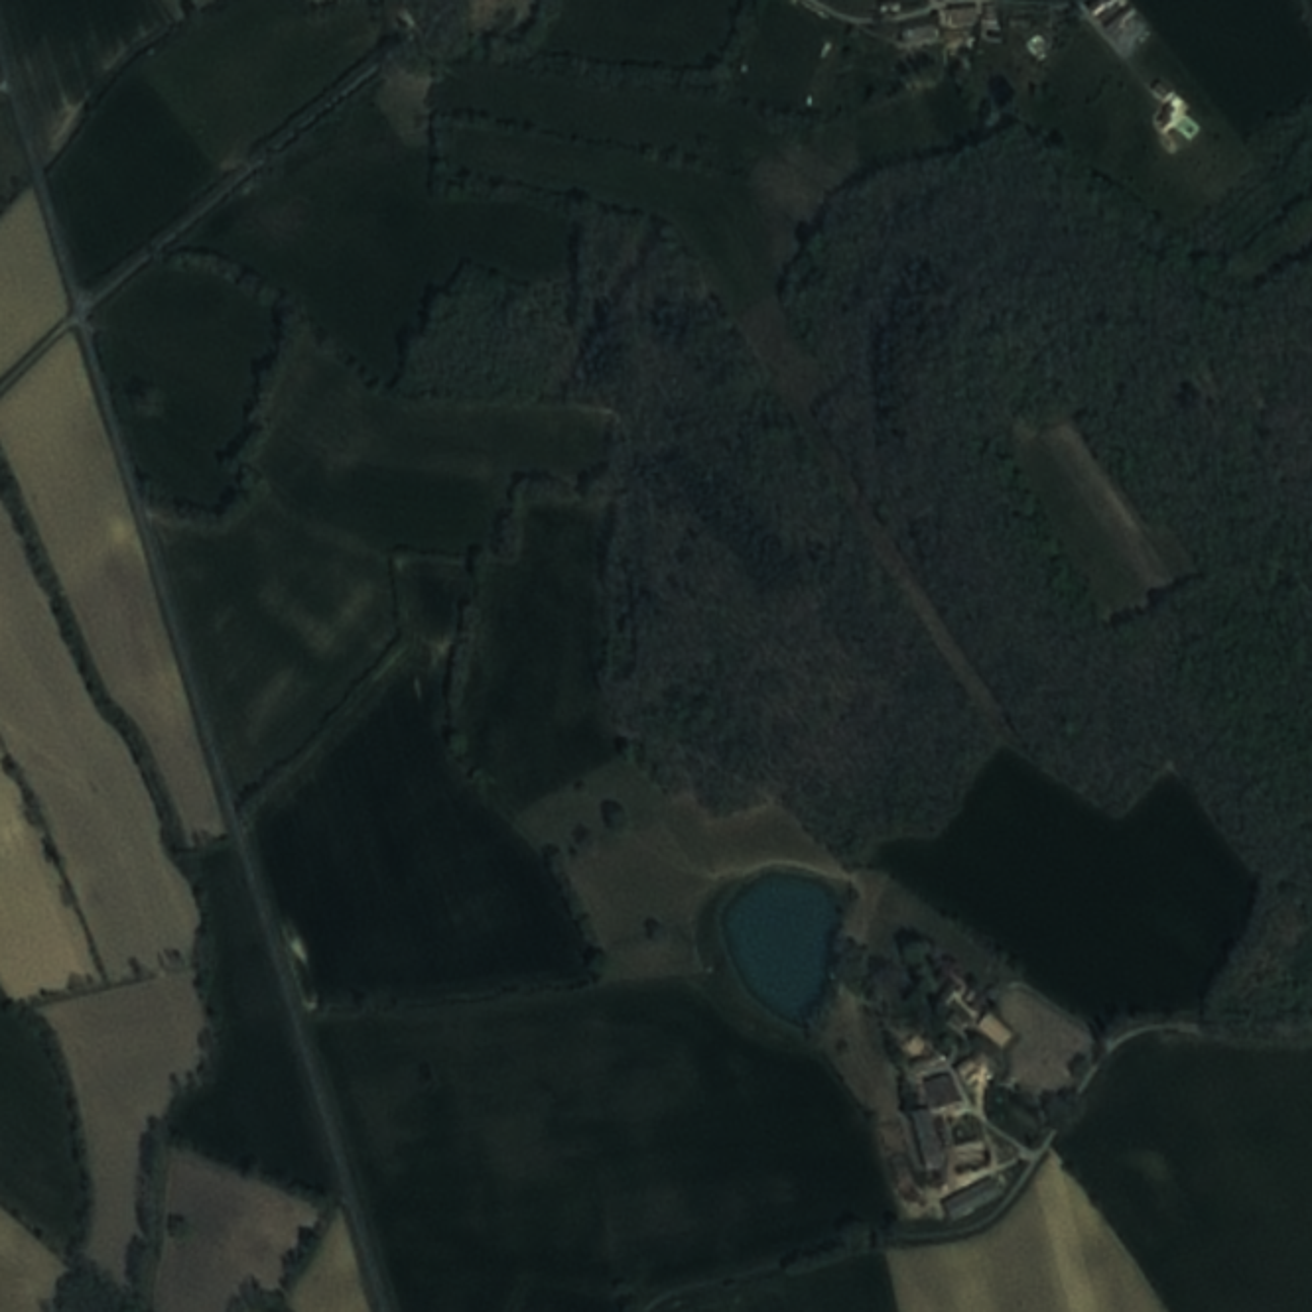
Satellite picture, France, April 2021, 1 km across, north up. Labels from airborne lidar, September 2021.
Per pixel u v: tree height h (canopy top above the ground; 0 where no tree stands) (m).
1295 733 15
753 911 0
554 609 0
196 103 0
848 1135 0
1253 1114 0
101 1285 18
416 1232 0
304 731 0
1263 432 9
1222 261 10
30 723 0
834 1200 0
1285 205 7
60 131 0
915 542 11
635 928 0
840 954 19
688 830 0
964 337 18
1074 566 11
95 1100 0
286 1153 0
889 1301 0
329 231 0
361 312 0
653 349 13
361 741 0
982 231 16
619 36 0
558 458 0
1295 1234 0
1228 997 15
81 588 0
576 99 0
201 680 0
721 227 0
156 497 16
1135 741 18
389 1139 0
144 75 0
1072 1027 0
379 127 0
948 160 13
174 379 0
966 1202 0
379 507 0
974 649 12
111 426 0
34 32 0
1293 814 13
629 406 16
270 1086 0
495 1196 0
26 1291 0
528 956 0
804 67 0
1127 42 0
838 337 14
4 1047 0
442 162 10
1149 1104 0
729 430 21
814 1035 16
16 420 0
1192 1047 0
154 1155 22
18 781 20
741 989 0
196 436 0
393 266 0
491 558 10
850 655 11
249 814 13
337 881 0
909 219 11
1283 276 15
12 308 0
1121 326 18
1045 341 22
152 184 0
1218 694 18
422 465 0
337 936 0
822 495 17
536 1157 0
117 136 0
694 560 15
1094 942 0
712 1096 0
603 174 0
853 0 11
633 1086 0
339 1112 0
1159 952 0
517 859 0
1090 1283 0
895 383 22
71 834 0
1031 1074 0
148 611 0
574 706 0
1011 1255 0
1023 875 0
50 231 0
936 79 24
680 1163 0
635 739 18
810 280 11
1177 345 13
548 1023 0
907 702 11
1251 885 0
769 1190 0
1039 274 17
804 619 10
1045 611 16
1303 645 16
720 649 17
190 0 0
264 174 6
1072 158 17
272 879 0
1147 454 20
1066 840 0
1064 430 0
